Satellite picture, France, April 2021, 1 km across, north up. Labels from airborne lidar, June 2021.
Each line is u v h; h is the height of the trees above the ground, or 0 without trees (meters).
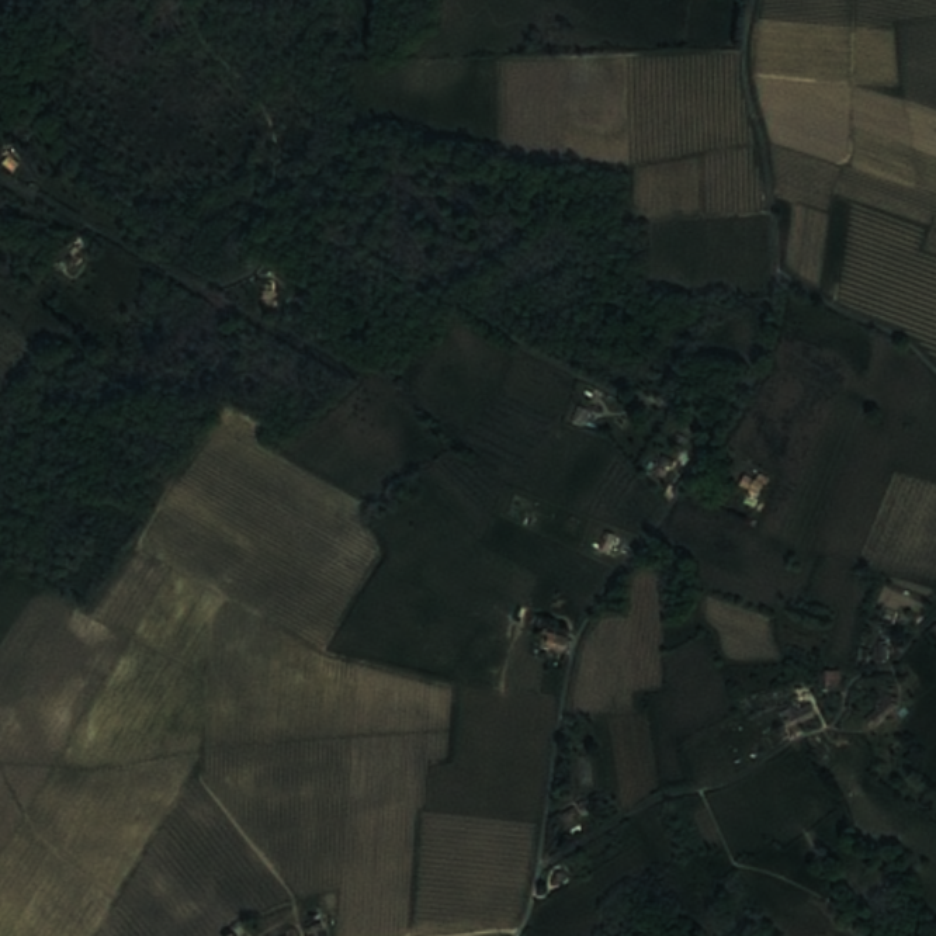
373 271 16
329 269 22
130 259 7
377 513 12
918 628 8
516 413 0
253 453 0
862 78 0
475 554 0
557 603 0
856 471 0
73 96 14
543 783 0
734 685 7
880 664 11
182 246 10
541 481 0
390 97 0
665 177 0
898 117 0
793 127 0
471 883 0
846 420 0
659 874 9
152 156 7
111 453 24
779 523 0
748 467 0
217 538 0
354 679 0
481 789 0
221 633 0
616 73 0
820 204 0
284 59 17
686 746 0
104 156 17
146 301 19
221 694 0
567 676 0
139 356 8
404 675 0
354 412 0
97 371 22
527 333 14
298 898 0
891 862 16
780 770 0
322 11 24
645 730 0
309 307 20
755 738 0
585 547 0
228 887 0
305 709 0
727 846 0
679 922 15
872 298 0
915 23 0
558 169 21
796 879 0
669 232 0
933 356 0
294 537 0
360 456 0
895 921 21
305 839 0
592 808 6
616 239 20
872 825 0
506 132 0
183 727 0
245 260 18
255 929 10
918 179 0
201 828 0
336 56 19
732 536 0
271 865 0
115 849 0
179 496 0
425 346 14
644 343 22
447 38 0
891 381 0
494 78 0
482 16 0
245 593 0
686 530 0
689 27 0
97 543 10
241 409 17
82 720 0
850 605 0
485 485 0
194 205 22
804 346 0
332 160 19
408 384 8
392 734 0
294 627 0
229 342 12
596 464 0
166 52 14
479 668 0
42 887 0
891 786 8
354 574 0
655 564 19
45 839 0
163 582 0
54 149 18
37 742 0
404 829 0
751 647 0
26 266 16
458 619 0
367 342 21
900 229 0
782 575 0
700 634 7
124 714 0
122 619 0
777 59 0
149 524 10
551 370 0
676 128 0
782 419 0
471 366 0
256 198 16
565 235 25
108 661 0
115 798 0
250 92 22
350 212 24
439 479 0
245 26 17
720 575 0
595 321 23
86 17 25
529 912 0
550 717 0
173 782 0
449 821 0
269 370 10
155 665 0
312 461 0
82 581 6
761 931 18
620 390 13
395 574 0
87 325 6
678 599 14
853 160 0
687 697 0
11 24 24
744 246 0
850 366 0
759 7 0
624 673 0
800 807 0
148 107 0
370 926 0
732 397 16
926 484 0
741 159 0
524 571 0
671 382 14
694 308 22
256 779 0
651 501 0
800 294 15
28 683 0
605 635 0
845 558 0
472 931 0
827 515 0
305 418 12
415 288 18
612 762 0
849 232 0
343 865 0
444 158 21
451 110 0
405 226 11
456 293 18
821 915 0
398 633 0
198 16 15
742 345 0
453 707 0
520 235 13
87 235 9
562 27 15
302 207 23
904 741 10
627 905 16
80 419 28
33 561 21
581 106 0
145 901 0
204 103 8
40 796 0
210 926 0
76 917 0
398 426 0
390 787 0
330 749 0
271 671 0
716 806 0
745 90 0
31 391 28
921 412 0
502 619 0
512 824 0
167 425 23
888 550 0
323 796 0
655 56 0
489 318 14
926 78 0
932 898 0
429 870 0
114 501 22
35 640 0
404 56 21
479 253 11
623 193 17
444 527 0
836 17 0
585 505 0
